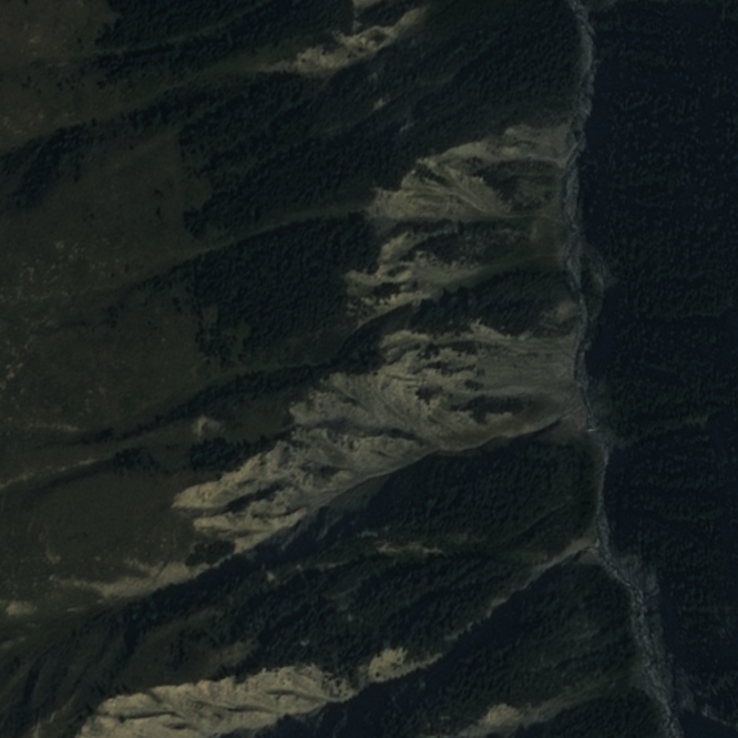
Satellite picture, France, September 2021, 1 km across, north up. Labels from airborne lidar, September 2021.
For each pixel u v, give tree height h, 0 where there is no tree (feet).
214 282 43
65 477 0
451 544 20
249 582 36
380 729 36
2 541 0
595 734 49
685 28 21
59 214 0
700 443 32
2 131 0
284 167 60
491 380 0
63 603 0
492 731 0
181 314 28
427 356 25
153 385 0
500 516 84
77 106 0
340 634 63
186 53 48
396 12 28
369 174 65
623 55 26
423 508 31
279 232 18
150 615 30
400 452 0
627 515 54
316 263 68
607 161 55
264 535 0
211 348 34
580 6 0
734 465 29
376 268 38
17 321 0
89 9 0
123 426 0
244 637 26
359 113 19
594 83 0
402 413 0
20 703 0
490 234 24
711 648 32
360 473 0
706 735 0
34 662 0
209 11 67
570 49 72
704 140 45
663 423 50
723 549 28
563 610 44
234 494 0
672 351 64
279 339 59
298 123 48
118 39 49
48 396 0
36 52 0
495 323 33
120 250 0
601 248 39
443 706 38
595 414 0
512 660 66
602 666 22
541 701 24
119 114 0
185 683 0
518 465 51
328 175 64
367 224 55
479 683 60
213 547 22
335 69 0
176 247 0
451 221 20
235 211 39
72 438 0
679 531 26
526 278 37
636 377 38
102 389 0
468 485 41
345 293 21
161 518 0
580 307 0
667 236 55
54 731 0
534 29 49
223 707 0
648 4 35
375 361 61
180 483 0
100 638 0
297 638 22
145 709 0
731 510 39
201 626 0
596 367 20
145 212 0
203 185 0
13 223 0
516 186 26
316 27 46
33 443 0
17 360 0
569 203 0
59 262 0
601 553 0
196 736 0
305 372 37
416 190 0
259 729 0
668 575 38
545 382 0
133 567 0
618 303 22
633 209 36
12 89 0
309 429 0
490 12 17
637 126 21
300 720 0
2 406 0
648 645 0
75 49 0
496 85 47
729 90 64
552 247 0
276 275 62
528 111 23
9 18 0
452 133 25
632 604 25
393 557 22
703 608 66
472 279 0
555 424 0
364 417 0
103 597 0
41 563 0
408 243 0
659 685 0
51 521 0
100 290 0
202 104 60
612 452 0
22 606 0
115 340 0
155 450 0
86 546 0
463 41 22
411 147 18
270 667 35
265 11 28
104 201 0
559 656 32
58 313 0
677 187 25
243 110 60
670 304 62
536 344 0
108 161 0
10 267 0
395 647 23
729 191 65
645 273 28
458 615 70
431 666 0
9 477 0
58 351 0
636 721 61
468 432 0
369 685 0
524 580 23
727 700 36
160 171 0
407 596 48
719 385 52
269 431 0
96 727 0
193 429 0
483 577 72
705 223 58
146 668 0
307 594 72
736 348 22
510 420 0
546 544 19
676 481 76
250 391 18
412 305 18
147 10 37
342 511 0
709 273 59
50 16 0
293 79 40
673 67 26
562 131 0
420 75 33
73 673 0
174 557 0
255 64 0
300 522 0
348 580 31
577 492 25
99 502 0
